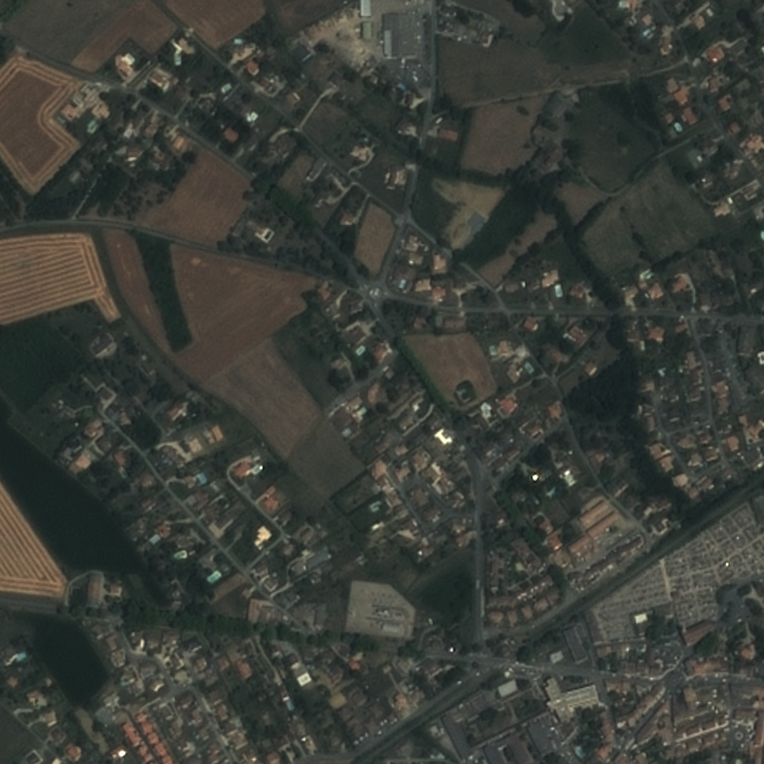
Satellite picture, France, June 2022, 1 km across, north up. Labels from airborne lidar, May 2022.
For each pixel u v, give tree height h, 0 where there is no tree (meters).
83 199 9
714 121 0
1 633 0
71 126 14
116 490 12
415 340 0
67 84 0
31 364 6
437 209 0
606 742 0
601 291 23
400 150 8
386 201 0
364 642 20
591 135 0
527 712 7
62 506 0
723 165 6
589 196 0
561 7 0
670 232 0
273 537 6
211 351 0
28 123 0
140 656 0
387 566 0
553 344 10
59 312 6
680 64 0
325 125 0
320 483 0
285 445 0
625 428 20
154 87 9
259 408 0
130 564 0
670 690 0
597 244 0
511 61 0
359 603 0
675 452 0
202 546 12
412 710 0
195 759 0
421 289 0
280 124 6
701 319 8
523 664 16
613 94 5
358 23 0
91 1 0
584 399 6
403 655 18
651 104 6
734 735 0
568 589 12
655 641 15
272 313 0
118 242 0
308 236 14
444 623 6
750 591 7
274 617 0
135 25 0
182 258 0
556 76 0
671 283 10
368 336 0
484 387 0
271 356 0
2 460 0
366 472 8
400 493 7
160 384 8
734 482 8
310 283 0
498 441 6
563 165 10
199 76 0
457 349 0
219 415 0
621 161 0
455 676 12
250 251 11
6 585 0
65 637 0
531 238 0
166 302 7
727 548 0
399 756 0
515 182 14
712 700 0
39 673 9
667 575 0
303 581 8
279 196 25
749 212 0
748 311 9
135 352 13
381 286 0
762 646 11
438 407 21
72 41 0
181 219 0
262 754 6
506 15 0
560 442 7
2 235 0
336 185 7
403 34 0
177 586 7
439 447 0
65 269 0
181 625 21
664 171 0
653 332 0
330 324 8
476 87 0
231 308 0
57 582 0
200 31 0
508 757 11
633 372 19
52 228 0
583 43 0
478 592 0
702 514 13
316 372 0
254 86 0
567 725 0
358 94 0
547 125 12
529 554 0
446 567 0
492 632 0
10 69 0
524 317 6
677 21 8
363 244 0
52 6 0
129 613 24
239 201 0
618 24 5
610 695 8
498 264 0
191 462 8
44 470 0
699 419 7
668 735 0
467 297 18
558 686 0
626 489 7
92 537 0
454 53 0
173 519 7
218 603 0
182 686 0
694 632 0
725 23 8
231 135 0
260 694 6
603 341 0
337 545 0
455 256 13
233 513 0
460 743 0
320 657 9
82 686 0
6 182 8
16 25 0
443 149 0
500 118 0
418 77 0
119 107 7
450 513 0
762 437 13
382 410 15
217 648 10
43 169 0
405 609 0
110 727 0
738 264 7
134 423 12
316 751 5
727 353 0
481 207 0
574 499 0
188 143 0
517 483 14
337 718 6
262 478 8
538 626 0
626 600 0
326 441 0
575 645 0
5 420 0
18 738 0
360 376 16
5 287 0
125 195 8
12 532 0
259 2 0
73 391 7
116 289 0
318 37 0
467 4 0
